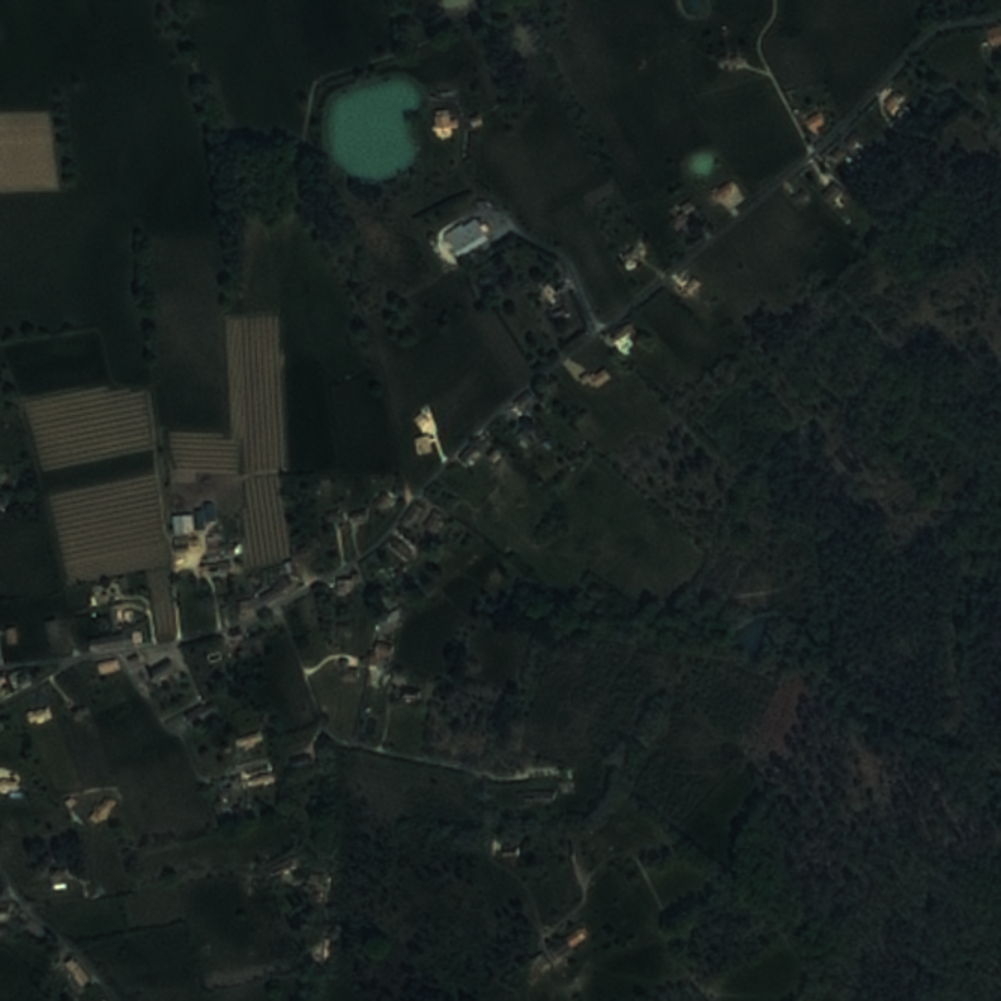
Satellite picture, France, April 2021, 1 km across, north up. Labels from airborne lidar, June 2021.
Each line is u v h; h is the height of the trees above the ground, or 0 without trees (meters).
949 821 25
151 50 0
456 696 11
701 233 13
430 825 6
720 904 21
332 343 0
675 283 0
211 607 19
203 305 0
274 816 15
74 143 7
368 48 0
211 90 16
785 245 0
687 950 16
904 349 6
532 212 0
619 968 0
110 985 6
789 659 21
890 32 0
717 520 12
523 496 0
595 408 0
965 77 0
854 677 24
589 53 0
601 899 0
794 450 19
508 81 21
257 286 0
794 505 23
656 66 0
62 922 0
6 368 6
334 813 22
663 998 15
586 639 13
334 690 0
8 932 14
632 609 7
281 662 0
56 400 0
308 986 12
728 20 0
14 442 0
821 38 0
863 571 22
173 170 0
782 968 0
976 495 24
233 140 8
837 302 14
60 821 0
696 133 0
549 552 0
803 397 15
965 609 16
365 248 7
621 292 0
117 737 0
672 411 10
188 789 0
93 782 0
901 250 21
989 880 19
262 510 0
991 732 19
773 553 10
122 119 0
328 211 22
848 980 17
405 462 0
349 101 0
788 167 0
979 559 21
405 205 0
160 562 0
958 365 23
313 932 12
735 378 9
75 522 0
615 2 0
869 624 20
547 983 0
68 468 0
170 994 0
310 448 0
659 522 0
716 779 0
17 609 0
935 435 8
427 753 8
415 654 0
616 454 7
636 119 0
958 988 21
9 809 0
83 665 0
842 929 21
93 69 0
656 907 0
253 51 0
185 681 7
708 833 0
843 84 0
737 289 0
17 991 0
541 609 22
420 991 16
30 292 0
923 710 23
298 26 0
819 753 22
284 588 0
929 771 26
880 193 25
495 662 0
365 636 0
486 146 0
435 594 15
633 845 0
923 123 17
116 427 0
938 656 17
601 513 0
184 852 0
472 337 0
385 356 0
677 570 0
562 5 14
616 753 17
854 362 20
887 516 21
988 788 21
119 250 0
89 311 0
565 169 0
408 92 0
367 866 13
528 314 0
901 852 18
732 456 7
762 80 0
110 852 0
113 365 0
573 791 0
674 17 0
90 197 0
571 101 7
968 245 17
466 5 0
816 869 17
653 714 16
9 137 0
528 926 14
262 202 23
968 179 19
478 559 0
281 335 0
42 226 0
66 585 0
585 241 0
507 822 14
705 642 23
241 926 0
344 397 0
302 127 0
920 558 21
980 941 20
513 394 0
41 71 0
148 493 0
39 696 0
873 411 21
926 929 10
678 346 0
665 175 0
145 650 0
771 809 21
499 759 8
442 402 0
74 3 0
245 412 0
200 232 0
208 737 6
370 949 20
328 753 15
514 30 12
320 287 0
